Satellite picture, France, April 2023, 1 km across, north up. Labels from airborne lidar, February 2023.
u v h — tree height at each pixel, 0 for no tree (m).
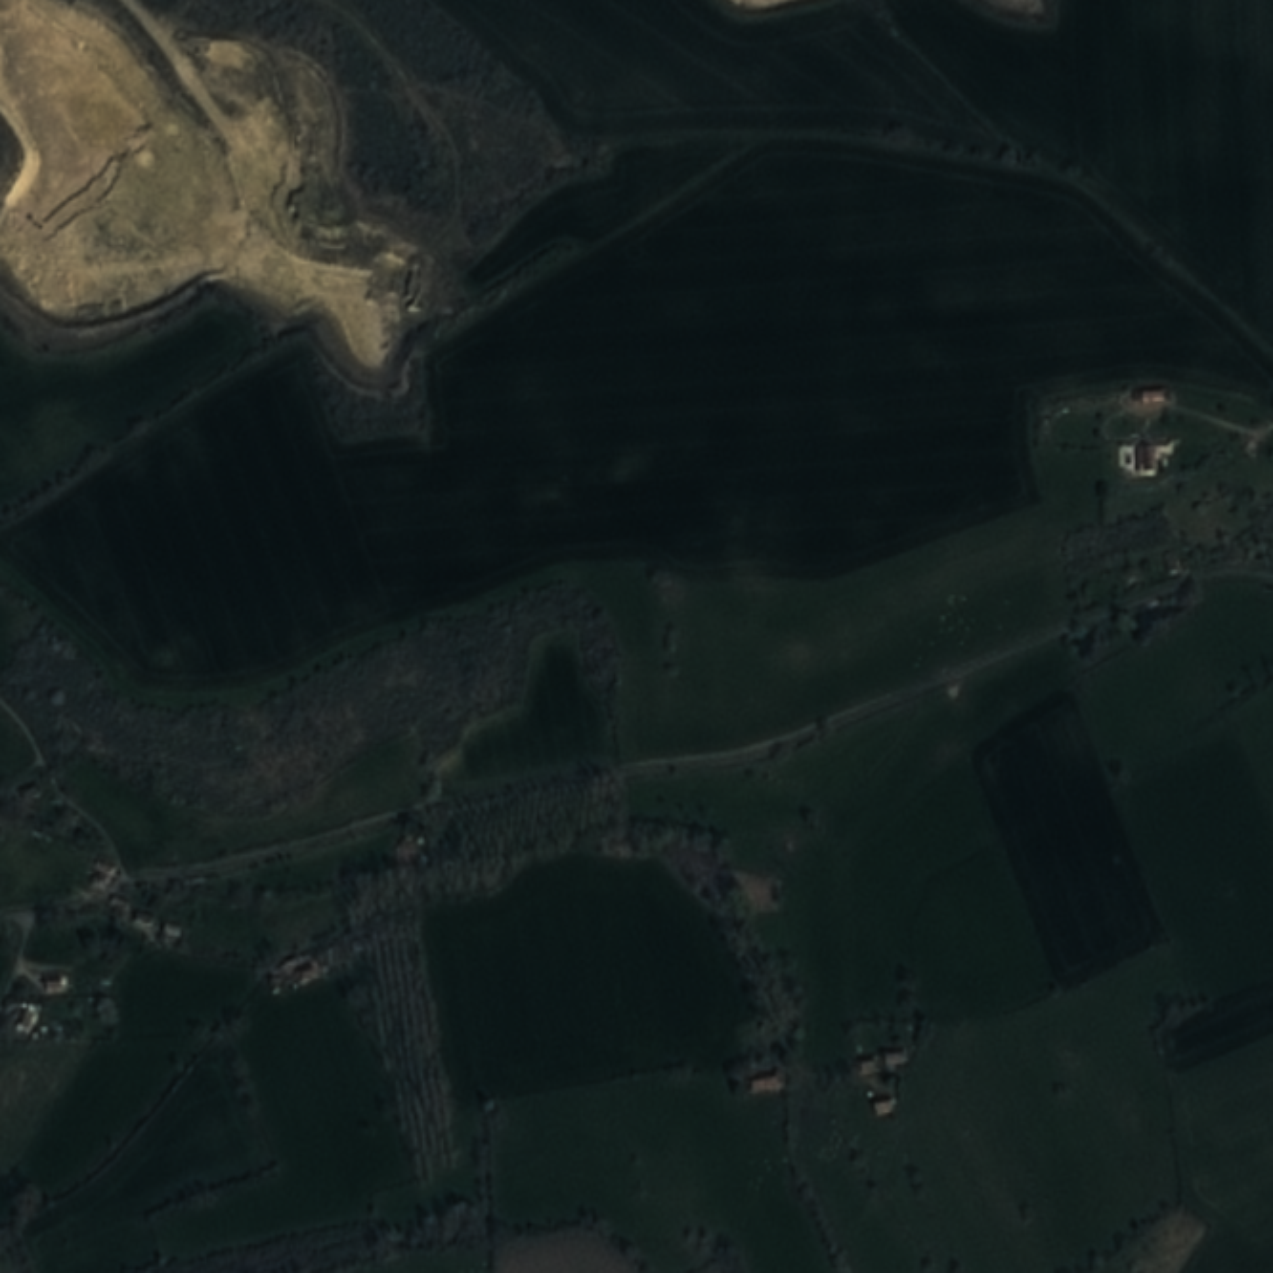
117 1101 0
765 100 0
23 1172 0
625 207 0
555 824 30
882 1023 12
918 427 0
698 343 0
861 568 0
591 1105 0
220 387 0
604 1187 0
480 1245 9
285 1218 0
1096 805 0
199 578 0
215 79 0
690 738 0
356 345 0
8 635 0
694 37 0
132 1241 0
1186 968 0
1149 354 0
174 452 0
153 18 0
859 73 0
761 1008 29
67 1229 0
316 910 0
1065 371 0
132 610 0
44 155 0
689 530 0
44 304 0
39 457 0
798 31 0
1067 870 0
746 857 0
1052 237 0
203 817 0
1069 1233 0
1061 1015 0
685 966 0
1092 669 0
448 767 0
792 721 0
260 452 0
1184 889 0
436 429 0
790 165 0
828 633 0
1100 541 6
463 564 0
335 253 0
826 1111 0
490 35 0
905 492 0
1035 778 0
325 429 0
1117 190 0
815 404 0
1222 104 0
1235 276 0
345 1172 0
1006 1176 0
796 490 0
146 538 0
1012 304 0
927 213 0
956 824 0
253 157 0
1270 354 0
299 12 9
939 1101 0
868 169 0
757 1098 0
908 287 0
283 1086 0
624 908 0
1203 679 0
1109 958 0
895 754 0
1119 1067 0
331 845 0
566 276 0
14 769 0
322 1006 0
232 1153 0
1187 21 0
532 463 0
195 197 0
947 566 0
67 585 0
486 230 12
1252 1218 0
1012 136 0
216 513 0
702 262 0
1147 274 0
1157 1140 0
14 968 0
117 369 0
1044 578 0
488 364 0
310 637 0
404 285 0
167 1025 0
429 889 28
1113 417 0
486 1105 14
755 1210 0
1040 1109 0
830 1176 0
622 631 0
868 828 0
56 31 0
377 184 9
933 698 0
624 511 0
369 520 0
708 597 0
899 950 0
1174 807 0
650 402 0
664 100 0
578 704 0
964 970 0
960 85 0
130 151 0
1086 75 0
